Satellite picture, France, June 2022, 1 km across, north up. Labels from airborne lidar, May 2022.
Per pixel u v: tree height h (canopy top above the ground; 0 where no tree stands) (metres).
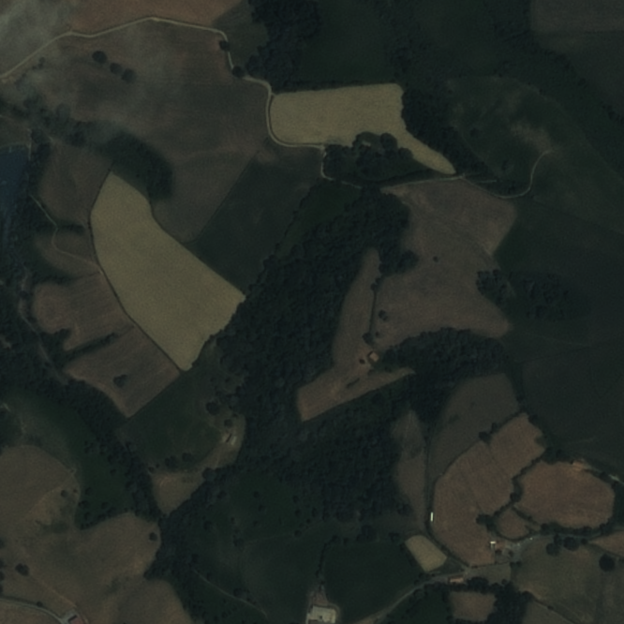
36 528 0
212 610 0
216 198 0
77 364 0
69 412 0
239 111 0
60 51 0
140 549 0
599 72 0
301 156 0
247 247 0
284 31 30
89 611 0
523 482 0
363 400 5
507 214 0
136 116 0
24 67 0
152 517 15
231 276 0
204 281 0
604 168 0
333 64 0
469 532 0
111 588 0
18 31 0
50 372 18
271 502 0
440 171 0
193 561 10
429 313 0
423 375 13
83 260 0
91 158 0
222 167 0
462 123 0
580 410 0
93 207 0
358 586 0
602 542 0
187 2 0
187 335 0
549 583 0
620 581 0
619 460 0
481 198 0
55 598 0
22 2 0
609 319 0
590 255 0
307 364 16
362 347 0
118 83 0
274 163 0
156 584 0
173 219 0
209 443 0
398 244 6
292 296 16
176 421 0
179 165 0
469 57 0
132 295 0
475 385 0
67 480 0
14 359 13
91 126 7
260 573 0
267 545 0
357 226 17
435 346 11
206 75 0
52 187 0
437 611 0
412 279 0
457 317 0
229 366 12
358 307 0
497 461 0
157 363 0
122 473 0
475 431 0
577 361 0
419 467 0
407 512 16
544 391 0
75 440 0
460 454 0
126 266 0
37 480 0
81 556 0
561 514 0
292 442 0
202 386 0
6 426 0
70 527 0
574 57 0
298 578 0
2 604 0
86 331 0
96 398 10
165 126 0
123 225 0
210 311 0
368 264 0
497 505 0
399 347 7
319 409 0
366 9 0
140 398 0
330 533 0
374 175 17
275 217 0
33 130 0
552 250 0
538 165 0
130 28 0
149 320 0
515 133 0
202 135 0
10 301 23
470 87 0
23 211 9
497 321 0
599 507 0
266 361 9
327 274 11
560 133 0
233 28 0
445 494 0
